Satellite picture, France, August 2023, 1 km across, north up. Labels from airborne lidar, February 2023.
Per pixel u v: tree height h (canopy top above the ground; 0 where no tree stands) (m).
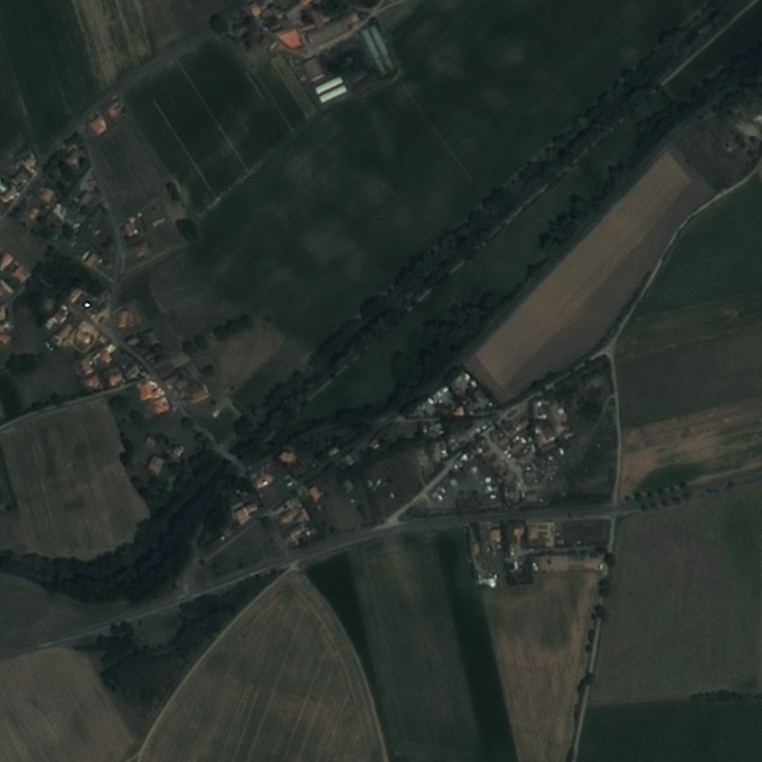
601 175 0
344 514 0
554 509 0
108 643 16
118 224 0
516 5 0
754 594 0
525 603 0
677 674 0
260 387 0
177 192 9
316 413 0
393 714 0
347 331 13
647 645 0
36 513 0
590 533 0
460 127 0
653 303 0
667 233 0
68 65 0
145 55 0
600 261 0
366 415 19
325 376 9
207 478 15
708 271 0
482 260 0
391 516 0
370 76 0
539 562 0
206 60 0
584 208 24
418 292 6
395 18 0
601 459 0
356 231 0
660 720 0
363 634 0
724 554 0
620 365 0
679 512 0
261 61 0
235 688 0
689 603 0
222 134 0
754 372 0
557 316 0
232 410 0
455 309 0
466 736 0
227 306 0
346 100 0
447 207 0
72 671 0
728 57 0
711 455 0
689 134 0
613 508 0
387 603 0
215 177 0
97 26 0
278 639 0
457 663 0
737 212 0
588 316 0
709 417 0
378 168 0
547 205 0
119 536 0
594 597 0
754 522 0
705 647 0
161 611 0
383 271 0
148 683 12
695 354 0
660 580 0
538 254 0
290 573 0
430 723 0
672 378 0
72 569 19
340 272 0
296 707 0
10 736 0
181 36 0
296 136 0
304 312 0
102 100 0
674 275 0
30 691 0
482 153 0
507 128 0
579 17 0
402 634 0
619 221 0
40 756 0
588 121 9
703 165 0
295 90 0
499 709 0
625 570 0
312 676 0
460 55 0
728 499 0
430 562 0
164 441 11
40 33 0
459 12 0
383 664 0
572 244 0
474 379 7
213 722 0
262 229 0
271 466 0
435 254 9
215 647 0
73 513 0
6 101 0
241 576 0
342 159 0
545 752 0
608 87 0
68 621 0
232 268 0
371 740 0
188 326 0
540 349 0
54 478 0
